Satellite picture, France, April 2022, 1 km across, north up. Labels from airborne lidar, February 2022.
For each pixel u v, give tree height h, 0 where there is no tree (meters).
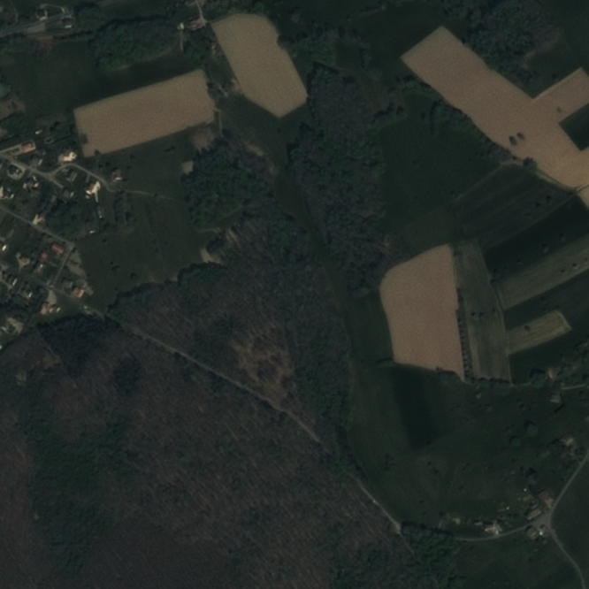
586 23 0
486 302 0
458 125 22
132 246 0
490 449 0
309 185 34
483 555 0
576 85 0
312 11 0
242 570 20
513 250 0
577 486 0
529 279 0
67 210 9
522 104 0
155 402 24
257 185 27
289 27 0
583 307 0
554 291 0
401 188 0
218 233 0
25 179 0
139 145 0
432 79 0
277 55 0
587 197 0
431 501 0
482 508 0
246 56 0
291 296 32
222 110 0
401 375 0
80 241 0
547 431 0
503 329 0
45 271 0
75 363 20
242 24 0
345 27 0
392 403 0
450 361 0
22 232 0
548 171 0
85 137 0
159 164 0
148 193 0
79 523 13
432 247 0
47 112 0
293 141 0
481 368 0
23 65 0
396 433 0
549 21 23
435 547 24
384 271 27
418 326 0
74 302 0
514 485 0
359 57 0
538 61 0
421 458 0
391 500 0
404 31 0
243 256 26
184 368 23
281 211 37
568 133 0
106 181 0
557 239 0
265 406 21
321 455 26
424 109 0
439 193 0
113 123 0
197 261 0
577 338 0
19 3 0
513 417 0
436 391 0
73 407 14
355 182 30
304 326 31
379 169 26
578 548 0
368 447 0
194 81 0
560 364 0
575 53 0
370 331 0
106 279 0
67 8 0
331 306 34
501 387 21
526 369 0
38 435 12
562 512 0
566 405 7
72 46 0
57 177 0
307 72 0
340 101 32
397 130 0
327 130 28
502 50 22
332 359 35
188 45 9
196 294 23
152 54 25
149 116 0
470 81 0
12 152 0
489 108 0
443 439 0
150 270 0
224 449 24
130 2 0
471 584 0
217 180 29
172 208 0
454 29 0
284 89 0
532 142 0
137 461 23
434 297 0
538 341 0
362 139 30
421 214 0
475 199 0
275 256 32
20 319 15
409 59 0
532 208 0
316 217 23
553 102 0
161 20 15
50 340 17
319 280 33
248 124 0
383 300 0
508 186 0
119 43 28
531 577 0
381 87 0
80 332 25
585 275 0
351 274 9
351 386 29
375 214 26
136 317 25
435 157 0
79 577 13
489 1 0
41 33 0
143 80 0
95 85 0
